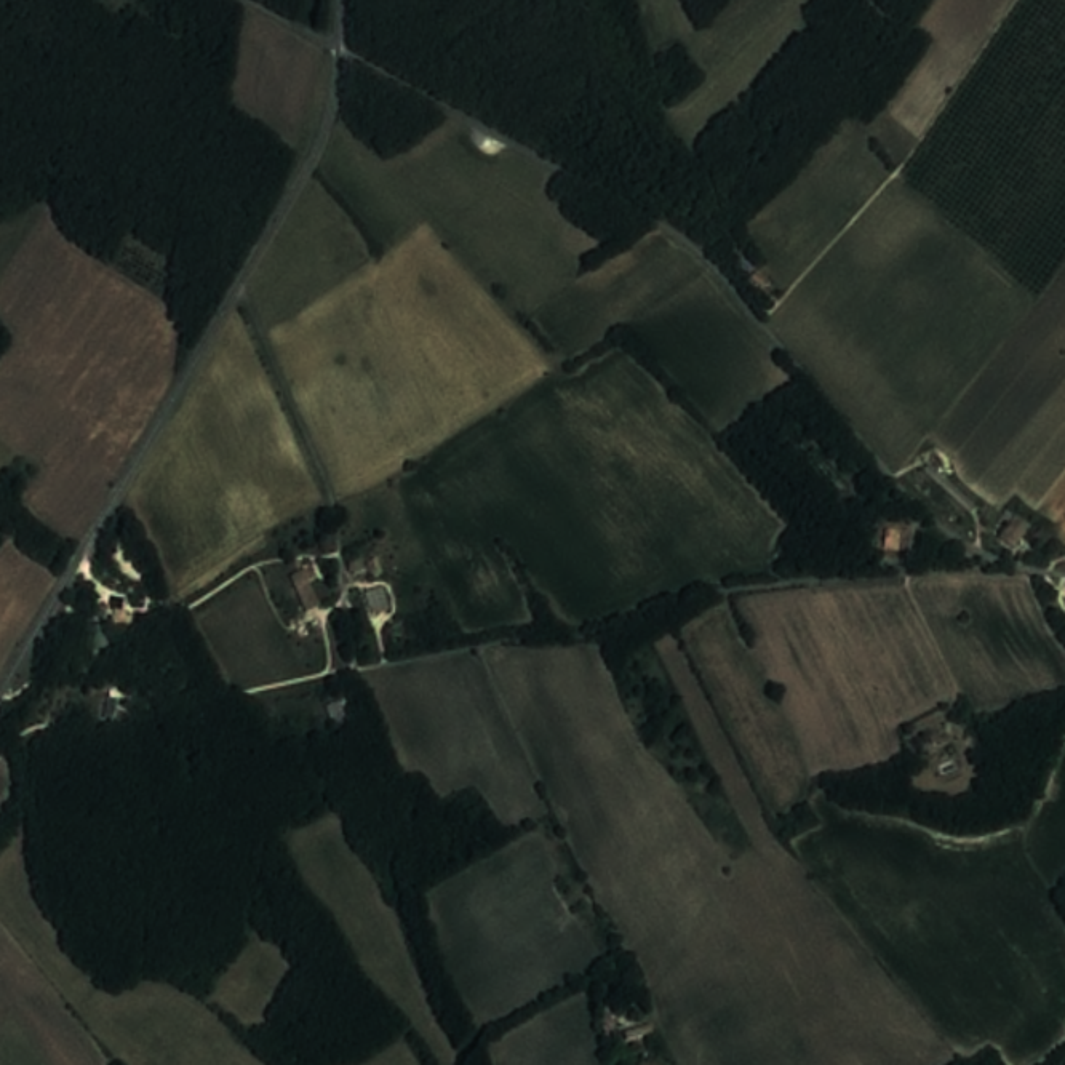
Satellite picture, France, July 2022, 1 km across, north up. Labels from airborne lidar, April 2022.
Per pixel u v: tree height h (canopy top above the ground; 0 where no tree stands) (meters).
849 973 0
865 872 0
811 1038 0
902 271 0
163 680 21
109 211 17
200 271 15
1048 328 0
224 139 19
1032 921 0
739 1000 0
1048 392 0
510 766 0
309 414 0
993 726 13
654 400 0
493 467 0
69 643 15
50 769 15
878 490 16
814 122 16
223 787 20
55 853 13
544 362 0
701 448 0
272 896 17
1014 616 0
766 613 0
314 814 14
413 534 0
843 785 14
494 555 0
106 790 19
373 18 20
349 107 10
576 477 0
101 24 12
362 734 16
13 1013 0
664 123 6
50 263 0
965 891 0
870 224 0
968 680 0
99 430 0
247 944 10
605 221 19
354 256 0
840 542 16
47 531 10
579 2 18
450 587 0
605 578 0
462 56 18
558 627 6
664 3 0
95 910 12
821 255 0
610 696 0
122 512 13
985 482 0
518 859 0
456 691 0
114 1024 0
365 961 0
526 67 16
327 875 0
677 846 0
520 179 0
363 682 6
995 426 0
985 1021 0
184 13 13
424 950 18
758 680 0
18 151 19
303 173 0
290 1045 13
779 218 0
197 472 0
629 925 0
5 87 19
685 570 0
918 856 0
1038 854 0
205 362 0
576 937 0
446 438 0
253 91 0
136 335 0
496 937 0
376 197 0
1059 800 0
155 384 0
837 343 0
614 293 0
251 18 0
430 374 0
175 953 13
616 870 0
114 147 16
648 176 15
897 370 0
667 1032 0
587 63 15
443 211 0
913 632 0
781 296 8
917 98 0
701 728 0
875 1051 0
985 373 0
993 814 14
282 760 19
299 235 0
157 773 21
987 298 0
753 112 13
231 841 19
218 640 0
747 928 0
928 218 0
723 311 0
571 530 0
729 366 0
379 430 0
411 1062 0
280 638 0
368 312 0
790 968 0
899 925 0
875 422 0
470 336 0
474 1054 19
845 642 0
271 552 0
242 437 0
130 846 15
